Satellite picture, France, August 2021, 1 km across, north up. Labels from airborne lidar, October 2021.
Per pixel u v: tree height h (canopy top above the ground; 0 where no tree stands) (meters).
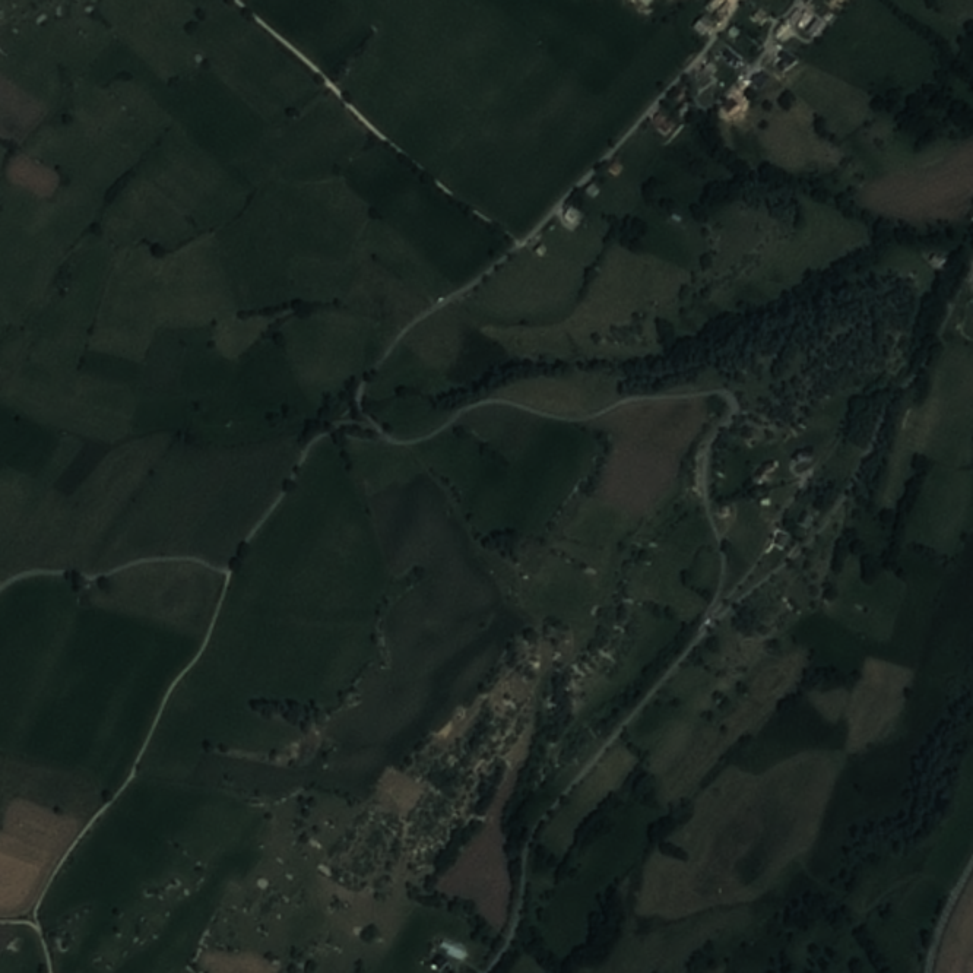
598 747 0
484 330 0
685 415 0
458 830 12
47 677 0
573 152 0
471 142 0
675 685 0
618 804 12
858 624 0
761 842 0
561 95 0
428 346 0
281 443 0
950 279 16
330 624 0
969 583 0
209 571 0
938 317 21
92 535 0
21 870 0
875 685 0
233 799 0
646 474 0
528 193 0
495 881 0
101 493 0
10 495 0
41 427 0
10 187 0
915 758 9
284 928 0
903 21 9
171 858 0
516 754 0
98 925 0
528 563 0
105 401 0
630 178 0
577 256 0
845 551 13
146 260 0
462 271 0
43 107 0
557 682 14
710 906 0
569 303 0
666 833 16
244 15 11
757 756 0
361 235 0
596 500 0
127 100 0
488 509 0
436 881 15
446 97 0
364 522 0
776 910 6
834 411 0
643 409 0
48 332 0
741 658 0
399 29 0
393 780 0
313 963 11
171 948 0
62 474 0
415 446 0
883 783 0
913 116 20
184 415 0
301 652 0
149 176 0
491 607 0
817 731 0
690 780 0
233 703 0
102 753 0
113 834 0
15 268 0
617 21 0
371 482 0
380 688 0
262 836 0
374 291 0
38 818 0
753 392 0
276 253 0
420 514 0
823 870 0
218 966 0
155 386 0
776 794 0
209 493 0
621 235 6
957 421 0
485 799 11
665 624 0
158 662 0
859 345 8
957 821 0
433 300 0
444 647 0
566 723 9
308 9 0
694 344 19
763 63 0
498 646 0
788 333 15
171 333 0
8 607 0
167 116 0
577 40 0
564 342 0
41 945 0
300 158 0
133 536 0
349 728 0
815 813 0
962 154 0
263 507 0
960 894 0
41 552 0
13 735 0
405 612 0
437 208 0
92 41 0
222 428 0
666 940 0
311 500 0
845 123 0
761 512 0
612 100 0
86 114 0
